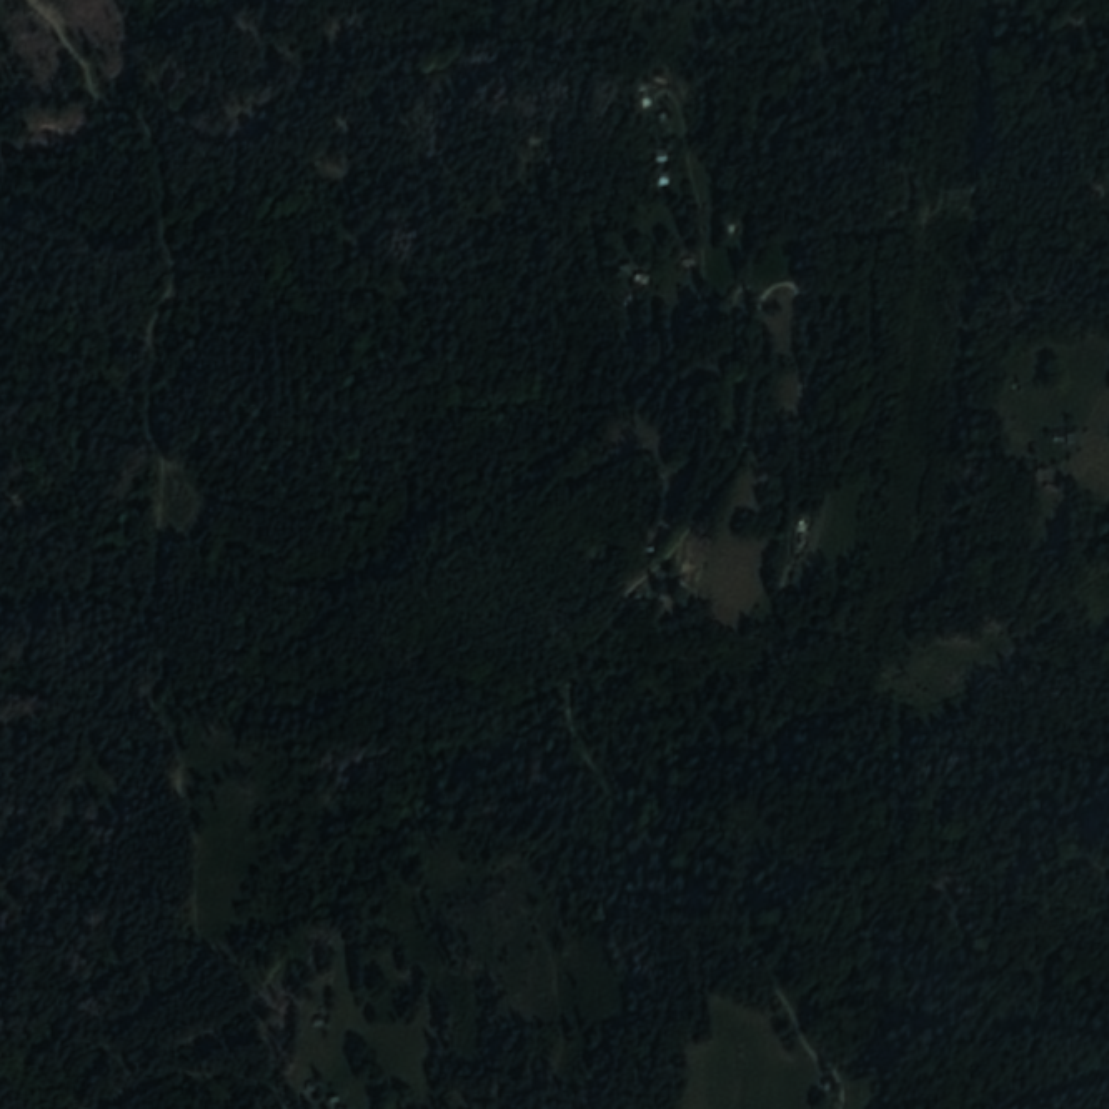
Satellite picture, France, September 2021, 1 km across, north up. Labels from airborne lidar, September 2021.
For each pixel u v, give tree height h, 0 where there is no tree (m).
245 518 29
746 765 21
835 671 30
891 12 8
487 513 19
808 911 20
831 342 15
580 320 28
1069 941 31
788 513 20
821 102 28
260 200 18
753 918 12
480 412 19
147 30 19
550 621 17
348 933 23
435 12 18
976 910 27
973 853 31
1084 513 19
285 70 31
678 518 28
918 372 6
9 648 31
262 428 19
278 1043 21
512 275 24
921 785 36
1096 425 0
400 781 15
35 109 16
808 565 0
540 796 22
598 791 14
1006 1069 28
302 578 18
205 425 25
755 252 21
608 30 17
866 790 41
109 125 10
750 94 28
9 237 24
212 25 29
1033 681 32
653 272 22
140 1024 32
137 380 27
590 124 26
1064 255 24
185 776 0
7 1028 34
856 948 30
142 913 26
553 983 0
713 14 7
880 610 13
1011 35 9
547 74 16
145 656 25
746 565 0
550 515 25
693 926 22
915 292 21
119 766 31
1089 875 33
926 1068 27
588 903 18
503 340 26
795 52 28
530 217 32
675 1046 22
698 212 15
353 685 21
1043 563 17
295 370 25
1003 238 25
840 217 25
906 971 30
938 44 20
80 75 13
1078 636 31
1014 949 29
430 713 26
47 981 10
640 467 23
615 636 13
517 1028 7
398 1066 0
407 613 26
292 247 31
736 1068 0
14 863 29
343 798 24
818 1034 30
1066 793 24
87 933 28
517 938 0
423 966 0
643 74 19
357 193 22
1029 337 20
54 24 0
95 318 28
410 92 29
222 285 28
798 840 30
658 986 25
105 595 20
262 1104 27
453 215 32
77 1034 31
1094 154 19
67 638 31
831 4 26
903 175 15
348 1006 0
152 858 25
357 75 34
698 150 18
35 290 29
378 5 25
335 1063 0
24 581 18
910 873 28
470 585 18
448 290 23
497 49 24
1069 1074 20
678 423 26
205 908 0
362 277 25
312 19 23
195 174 28
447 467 28
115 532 23
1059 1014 26
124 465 27
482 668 29
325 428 24
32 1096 16
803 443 15
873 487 19
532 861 18
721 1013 0
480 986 7
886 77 22
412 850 20
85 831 24
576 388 19
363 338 13
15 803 31
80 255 29
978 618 27
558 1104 17
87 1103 29
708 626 24
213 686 12
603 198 17
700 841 20
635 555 21
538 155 9
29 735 8
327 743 26
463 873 0
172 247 16
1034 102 23
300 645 18
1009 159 24
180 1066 13
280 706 20
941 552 8
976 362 22
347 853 27
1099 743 33
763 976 26
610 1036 13
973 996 24
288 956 11
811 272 25
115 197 24
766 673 25
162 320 10
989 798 28
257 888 8
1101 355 0
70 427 16
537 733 15
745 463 9
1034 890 22
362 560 22
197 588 21
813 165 35
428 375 29
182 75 25
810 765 34
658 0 14
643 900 14
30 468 12
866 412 24
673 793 24
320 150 30
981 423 28
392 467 21
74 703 19
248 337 25
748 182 22
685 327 21
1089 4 28
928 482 8
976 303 21
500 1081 23
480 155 30
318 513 21
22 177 23
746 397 22
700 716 6
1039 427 0
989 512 23
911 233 13
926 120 26
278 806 10
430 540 25
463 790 31
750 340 23
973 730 32
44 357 17
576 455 25
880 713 32
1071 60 23
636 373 28
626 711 30
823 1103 17
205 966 30
